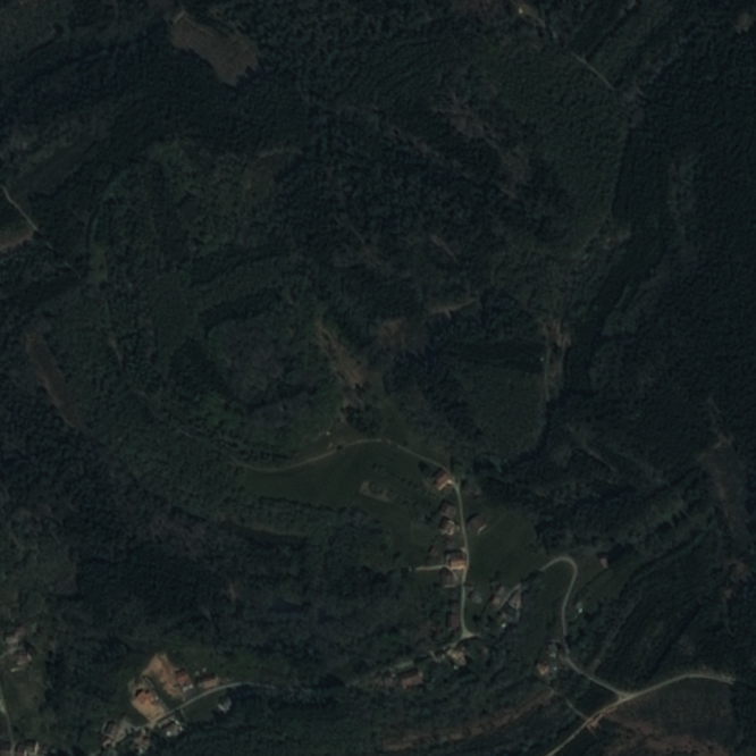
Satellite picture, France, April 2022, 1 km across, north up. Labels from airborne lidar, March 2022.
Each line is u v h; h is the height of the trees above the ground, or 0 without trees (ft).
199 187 49
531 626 35
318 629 75
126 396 55
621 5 75
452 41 63
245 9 49
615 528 88
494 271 40
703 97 69
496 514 0
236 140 75
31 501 74
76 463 58
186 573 86
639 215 71
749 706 68
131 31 34
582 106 49
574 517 38
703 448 87
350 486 0
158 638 56
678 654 72
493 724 92
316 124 85
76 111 57
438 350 79
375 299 36
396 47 55
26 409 89
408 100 58
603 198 42
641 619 21
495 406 44
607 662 20
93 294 72
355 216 80
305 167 95
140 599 67
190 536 85
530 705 97
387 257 18
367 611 89
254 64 0
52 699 47
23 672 0
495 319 92
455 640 24
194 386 40
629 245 26
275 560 85
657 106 86
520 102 54
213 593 112
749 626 70
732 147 72
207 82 56
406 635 51
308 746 48
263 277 59
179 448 58
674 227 74
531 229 39
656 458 57
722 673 83
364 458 0
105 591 36
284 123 68
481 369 68
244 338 95
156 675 0
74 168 24
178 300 55
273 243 39
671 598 23
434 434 79
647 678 22
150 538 90
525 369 55
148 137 44
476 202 49
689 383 86
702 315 77
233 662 70
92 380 53
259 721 47
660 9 38
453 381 94
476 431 99
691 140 98
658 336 68
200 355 43
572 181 53
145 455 50
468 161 70
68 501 93
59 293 48
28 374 88
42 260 48
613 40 65
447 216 98
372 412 53
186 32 0
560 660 0
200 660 0
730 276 86
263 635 75
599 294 32
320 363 80
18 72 37
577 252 25
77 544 49
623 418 76
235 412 51
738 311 75
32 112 54
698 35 72
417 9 94
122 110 59
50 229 31
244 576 46
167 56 47
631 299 23
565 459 88
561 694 39
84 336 54
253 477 0
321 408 87
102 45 37
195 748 63
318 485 0
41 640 49
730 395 75
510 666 30
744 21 52
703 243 66
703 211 75
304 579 72
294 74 50
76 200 29
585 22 51
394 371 86
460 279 53
